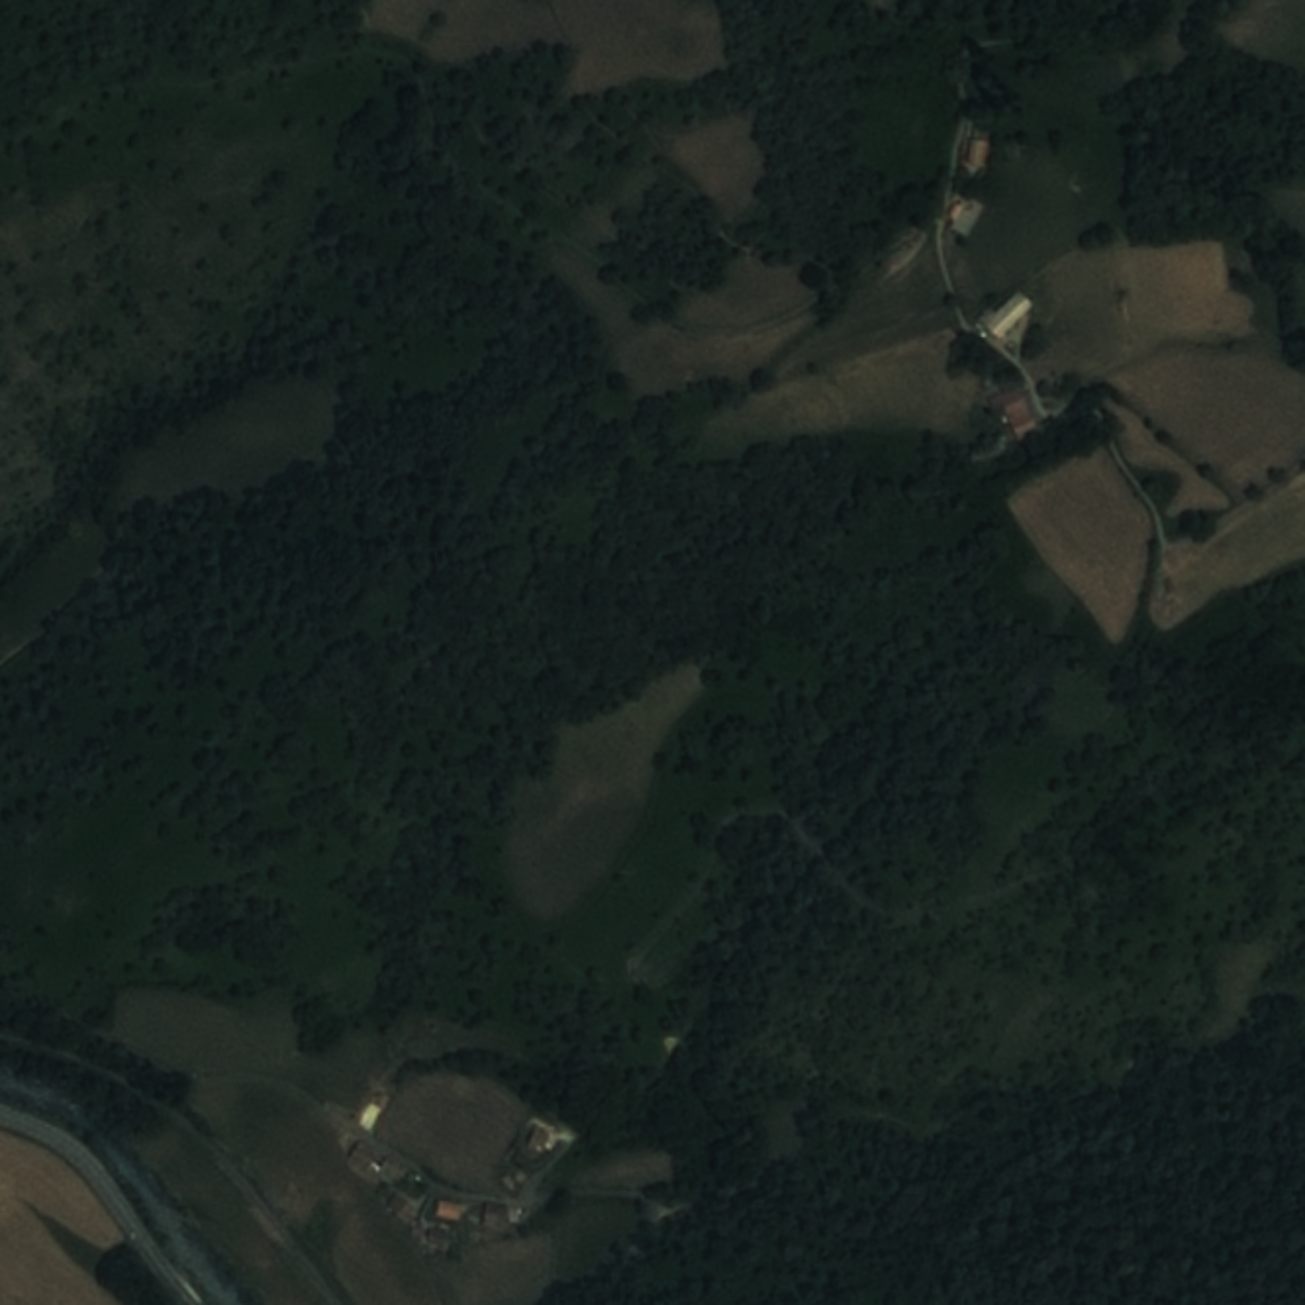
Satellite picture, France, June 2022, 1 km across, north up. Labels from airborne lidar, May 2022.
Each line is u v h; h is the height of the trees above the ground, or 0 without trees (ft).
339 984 0
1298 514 0
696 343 0
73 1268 0
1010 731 49
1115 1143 31
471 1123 0
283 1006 0
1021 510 0
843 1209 48
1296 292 51
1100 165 0
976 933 36
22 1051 20
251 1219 0
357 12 46
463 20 0
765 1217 50
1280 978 27
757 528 40
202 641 46
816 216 51
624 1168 0
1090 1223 47
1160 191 68
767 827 21
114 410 47
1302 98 54
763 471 65
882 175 48
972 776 39
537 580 47
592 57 0
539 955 45
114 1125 41
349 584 47
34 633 0
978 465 27
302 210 0
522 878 0
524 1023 34
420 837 55
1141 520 0
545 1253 0
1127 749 44
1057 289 0
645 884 0
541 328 56
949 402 0
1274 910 53
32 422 21
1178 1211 57
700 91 41
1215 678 65
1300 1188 55
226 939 70
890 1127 20
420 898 62
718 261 18
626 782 0
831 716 55
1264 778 36
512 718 58
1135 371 0
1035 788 0
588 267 0
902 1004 32
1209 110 31
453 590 57
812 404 0
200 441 0
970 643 49
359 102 0
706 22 0
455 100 26
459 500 45
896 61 58
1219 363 0
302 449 0
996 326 0
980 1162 52
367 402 26
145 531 66
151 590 26
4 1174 0
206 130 0
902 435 0
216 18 50
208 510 68
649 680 35
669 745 0
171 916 33
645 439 37
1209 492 0
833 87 54
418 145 52
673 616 64
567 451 43
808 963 36
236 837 52
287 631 27
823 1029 30
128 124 0
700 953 40
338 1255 0
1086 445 56
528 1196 0
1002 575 0
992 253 0
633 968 0
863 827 62
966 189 46
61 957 0
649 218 35
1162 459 0
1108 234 68
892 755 52
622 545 52
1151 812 70
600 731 0
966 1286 48
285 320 18
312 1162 0
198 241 0
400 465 56
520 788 32
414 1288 0
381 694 47
